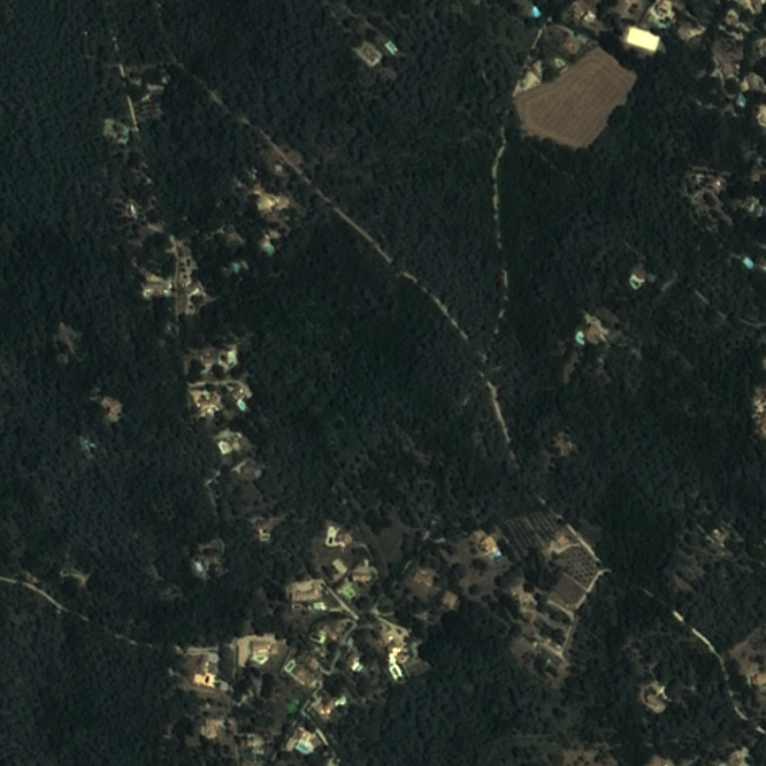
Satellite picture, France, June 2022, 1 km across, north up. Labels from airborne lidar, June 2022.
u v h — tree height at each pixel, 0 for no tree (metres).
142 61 15
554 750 0
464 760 18
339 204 15
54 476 11
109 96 14
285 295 8
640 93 13
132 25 18
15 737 18
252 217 17
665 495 21
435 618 18
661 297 20
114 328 16
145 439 20
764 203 11
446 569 12
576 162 17
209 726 0
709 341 7
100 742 17
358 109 11
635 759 14
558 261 23
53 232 22
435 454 11
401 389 13
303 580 12
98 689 16
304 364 17
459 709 19
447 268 18
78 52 13
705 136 13
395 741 23
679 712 9
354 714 14
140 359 16
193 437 13
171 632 15
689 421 11
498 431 16
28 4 10
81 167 14
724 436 6
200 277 10
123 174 19
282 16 11
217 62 10
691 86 11
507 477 18
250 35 10
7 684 9
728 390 18
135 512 17
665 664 8
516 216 6
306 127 22
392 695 14
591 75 0
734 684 9
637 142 13
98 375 12
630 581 14
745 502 15
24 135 20
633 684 22
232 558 15
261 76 19
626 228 19
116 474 20
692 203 10
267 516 8
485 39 19
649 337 6
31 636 13
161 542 15
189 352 15
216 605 17
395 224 16
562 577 12
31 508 15
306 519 18
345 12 0
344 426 14
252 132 22
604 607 7
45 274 21
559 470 12
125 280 21
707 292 14
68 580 12
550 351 11
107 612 14
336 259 6
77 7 14
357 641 17
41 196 15
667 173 18
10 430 13
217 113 21
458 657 24
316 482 19
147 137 16
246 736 7
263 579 20
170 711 15
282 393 18
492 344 16
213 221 22
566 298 15
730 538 9
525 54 10
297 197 9
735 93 9
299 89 23
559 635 12
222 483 16
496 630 13
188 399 9
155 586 14
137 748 19
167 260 12
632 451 21
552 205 8
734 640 18
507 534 10
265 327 10
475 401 13
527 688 16
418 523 16
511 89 14
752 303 18
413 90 24
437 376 19
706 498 14
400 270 18
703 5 22
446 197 15
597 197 19
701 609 19
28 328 19
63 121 19
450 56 24
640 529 9
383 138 18
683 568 21
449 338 12
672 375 8
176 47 20
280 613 16
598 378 15
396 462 8
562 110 0
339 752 18
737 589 17
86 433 20
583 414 22
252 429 11
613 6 12
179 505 13
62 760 19
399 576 13
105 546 21
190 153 21
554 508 19
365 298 19
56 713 11
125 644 19
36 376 18
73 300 21
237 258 13
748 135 13
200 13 16
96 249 18
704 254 12
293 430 15
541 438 23
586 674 7
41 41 14
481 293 18
